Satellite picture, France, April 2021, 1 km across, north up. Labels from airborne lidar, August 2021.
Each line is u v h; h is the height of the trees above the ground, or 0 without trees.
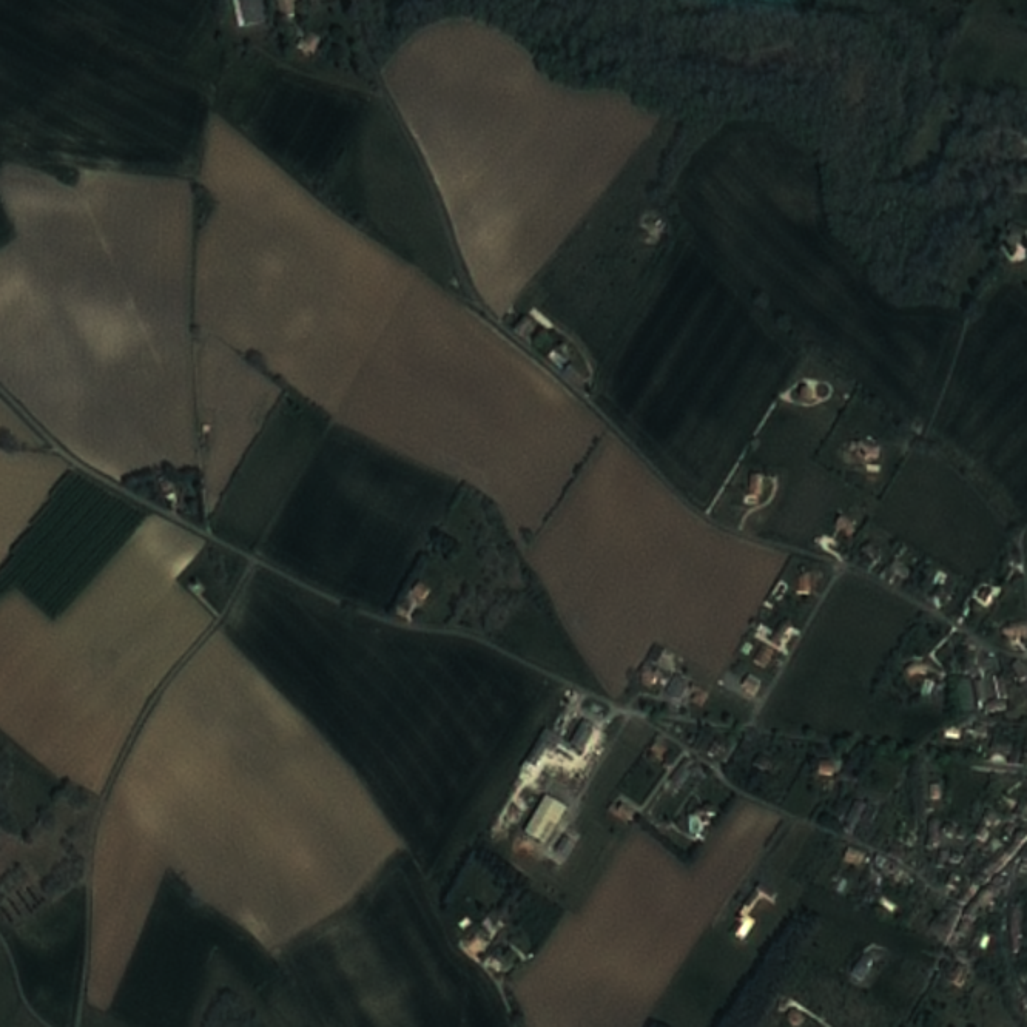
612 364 0
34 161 0
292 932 0
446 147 0
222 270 0
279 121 0
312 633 0
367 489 0
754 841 0
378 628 0
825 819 14
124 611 0
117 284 0
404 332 0
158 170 0
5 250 0
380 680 0
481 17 15
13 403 0
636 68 23
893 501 0
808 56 11
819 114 20
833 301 0
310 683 0
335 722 0
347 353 0
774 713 0
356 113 0
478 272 0
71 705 0
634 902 0
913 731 0
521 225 0
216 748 0
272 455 0
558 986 0
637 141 0
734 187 0
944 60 14
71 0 0
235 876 0
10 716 0
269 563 0
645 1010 0
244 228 0
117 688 0
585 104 0
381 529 0
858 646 0
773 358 0
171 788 0
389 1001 0
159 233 0
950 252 20
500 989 0
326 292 0
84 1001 0
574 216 0
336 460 0
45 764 0
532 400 0
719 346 0
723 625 0
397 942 0
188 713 0
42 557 7
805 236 0
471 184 0
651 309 0
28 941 0
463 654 0
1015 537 10
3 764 12
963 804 0
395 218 0
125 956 0
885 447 0
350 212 6
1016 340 0
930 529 0
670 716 9
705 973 0
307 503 0
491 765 0
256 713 0
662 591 0
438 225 0
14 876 8
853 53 18
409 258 0
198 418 0
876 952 0
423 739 0
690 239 0
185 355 0
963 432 0
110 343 0
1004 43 0
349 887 0
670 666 0
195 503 12
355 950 0
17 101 0
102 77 0
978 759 11
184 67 0
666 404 0
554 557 0
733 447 0
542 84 0
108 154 0
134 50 0
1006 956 15
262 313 0
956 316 0
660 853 0
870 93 10
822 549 0
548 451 0
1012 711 6
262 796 0
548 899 8
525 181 0
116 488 0
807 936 8
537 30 21
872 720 0
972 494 0
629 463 0
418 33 10
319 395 0
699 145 12
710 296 0
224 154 0
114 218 0
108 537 6
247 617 0
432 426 0
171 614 0
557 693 0
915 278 22
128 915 0
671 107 17
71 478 6
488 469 0
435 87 0
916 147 19
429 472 0
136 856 0
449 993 0
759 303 11
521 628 0
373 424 0
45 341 0
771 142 0
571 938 0
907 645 11
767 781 14
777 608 6
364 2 14
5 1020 0
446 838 0
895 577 8
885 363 0
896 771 0
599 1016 0
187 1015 0
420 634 0
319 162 0
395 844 0
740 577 0
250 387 0
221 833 0
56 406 0
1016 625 0
